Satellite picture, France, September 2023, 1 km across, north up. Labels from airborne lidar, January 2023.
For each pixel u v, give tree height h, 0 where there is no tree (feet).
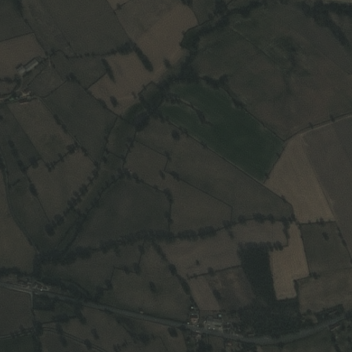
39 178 0
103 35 0
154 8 0
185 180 0
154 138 0
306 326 0
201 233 45
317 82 0
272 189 0
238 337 0
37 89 0
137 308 0
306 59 0
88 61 0
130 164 0
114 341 0
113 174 0
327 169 0
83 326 0
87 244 0
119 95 0
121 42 0
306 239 0
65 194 0
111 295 0
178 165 0
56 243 0
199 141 0
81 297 60
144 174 0
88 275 0
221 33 0
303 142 0
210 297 0
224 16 48
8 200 0
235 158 0
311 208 0
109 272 0
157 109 65
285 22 0
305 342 0
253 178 0
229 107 0
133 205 0
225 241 0
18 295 0
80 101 0
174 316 0
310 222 38
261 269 44
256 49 0
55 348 0
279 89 0
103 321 0
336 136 0
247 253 45
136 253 0
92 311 0
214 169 0
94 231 0
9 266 0
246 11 61
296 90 0
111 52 29
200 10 0
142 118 57
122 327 0
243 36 0
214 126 0
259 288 46
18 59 0
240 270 0
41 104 0
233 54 0
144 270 0
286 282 0
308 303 0
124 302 0
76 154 0
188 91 0
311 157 0
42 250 0
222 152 0
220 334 0
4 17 0
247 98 0
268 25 0
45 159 0
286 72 0
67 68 0
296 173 0
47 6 0
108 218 0
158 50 0
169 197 41
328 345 0
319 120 0
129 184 0
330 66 0
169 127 0
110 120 0
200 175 0
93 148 0
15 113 0
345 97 0
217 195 0
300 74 0
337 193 0
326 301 0
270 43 0
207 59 0
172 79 43
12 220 0
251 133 0
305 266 0
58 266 0
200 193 0
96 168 48
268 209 0
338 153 0
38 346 49
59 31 0
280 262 0
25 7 0
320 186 0
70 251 0
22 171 53
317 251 0
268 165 0
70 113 0
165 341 0
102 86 0
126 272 41
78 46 0
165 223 0
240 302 0
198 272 0
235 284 0
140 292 0
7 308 0
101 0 0
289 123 0
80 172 0
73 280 0
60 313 0
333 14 0
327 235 37
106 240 0
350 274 0
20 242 0
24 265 0
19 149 0
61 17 0
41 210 0
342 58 0
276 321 51
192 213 0
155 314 0
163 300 0
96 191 0
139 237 53
